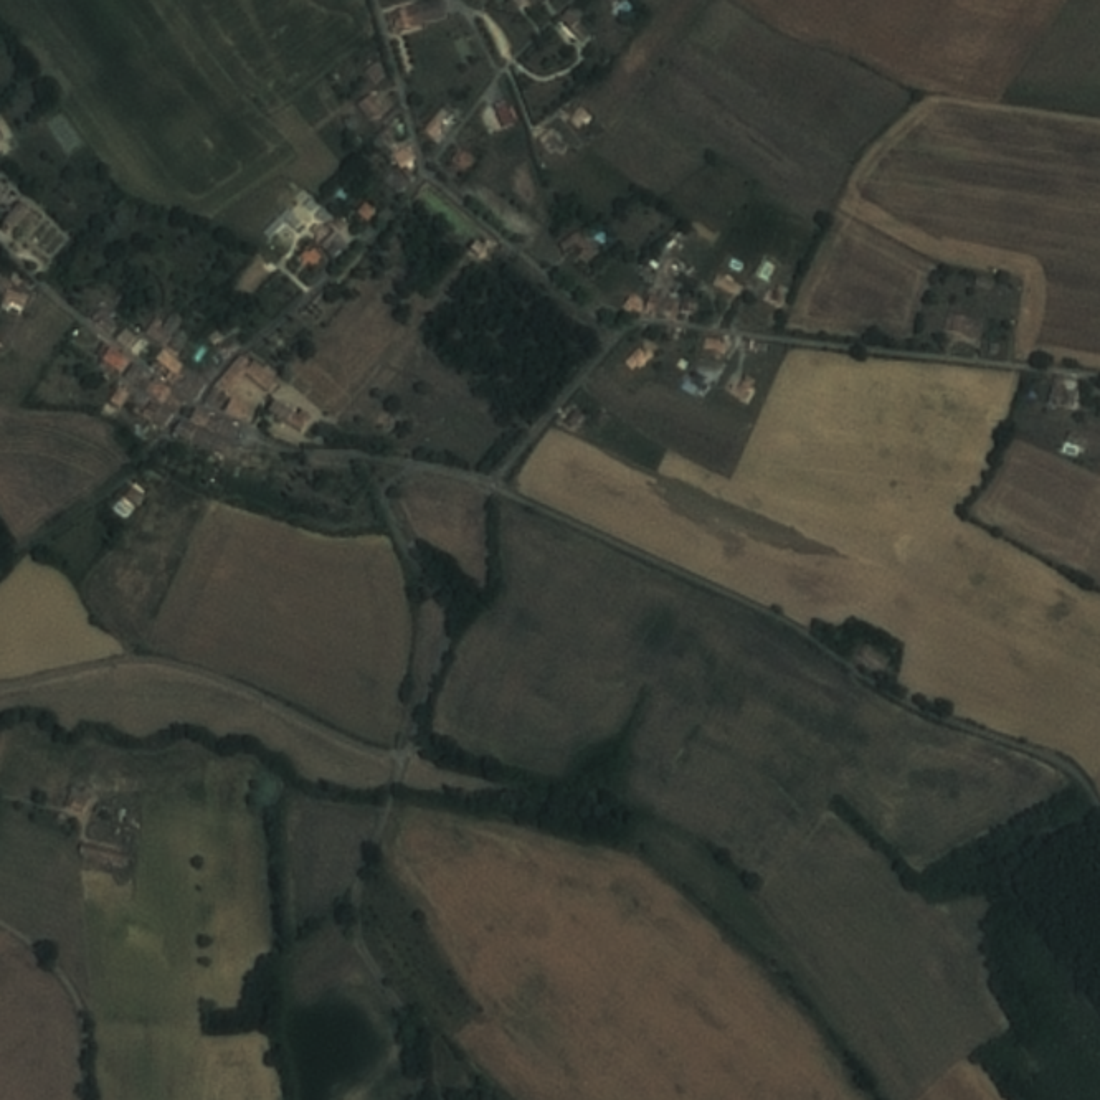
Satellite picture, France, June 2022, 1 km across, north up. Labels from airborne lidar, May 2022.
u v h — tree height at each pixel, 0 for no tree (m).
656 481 0
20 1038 0
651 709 0
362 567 0
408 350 0
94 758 0
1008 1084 9
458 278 7
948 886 7
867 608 0
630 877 0
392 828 0
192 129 0
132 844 0
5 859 0
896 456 0
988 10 0
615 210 8
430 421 0
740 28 0
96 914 0
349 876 0
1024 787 0
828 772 0
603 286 0
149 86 0
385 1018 0
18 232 10
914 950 0
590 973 0
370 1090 0
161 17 0
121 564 0
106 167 12
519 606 0
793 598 0
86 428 0
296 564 0
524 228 0
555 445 0
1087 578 10
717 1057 0
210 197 0
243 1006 15
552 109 9
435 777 0
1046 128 0
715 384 0
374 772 0
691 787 0
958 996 0
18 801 8
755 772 0
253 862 0
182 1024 0
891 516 0
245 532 0
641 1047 0
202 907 0
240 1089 0
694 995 0
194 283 7
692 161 0
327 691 0
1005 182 0
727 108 0
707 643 0
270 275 6
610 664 0
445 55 0
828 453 0
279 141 0
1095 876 16
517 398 13
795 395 0
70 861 0
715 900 0
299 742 0
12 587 0
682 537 0
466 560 0
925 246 0
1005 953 8
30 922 0
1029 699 0
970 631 0
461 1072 0
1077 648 0
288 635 0
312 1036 0
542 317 22
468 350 13
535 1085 0
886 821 0
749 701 0
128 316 8
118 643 0
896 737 0
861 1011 0
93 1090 16
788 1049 0
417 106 9
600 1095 0
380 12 0
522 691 0
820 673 0
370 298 0
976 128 0
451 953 0
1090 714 0
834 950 0
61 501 0
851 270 0
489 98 0
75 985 0
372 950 0
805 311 0
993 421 0
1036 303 0
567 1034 0
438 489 0
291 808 0
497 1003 0
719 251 0
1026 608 0
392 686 0
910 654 0
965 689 0
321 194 7
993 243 0
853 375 0
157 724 0
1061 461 0
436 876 0
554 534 0
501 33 0
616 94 0
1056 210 0
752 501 0
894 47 0
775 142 0
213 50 0
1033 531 0
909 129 0
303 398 0
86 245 7
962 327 0
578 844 0
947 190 0
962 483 0
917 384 0
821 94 0
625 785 0
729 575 0
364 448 6
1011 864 15
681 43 0
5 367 0
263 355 0
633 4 5
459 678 0
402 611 0
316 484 14
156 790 0
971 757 0
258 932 0
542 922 0
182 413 11
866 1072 11
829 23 0
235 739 10
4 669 0
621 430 0
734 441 0
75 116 0
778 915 0
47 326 0
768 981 0
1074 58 0
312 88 0
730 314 6
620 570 0
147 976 0
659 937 0
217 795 0
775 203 0
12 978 0
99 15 0
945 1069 0
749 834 0
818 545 0
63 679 0
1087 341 0
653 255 10
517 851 0
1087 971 12
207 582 0
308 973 0
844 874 0
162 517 0
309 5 0
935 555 0
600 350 9
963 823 0
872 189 0
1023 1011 12
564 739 0
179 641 0
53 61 0
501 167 0
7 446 0
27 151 0
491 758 13
